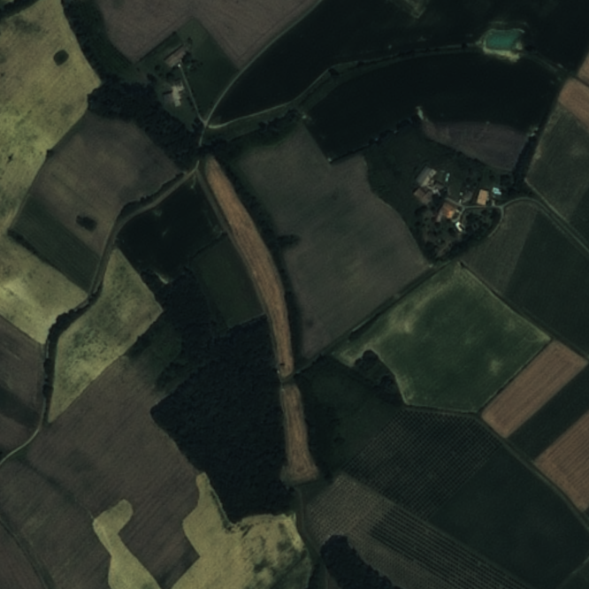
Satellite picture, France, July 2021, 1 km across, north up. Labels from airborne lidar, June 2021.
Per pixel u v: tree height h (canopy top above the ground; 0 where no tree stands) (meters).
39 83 0
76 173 0
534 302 0
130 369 0
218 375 19
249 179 0
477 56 0
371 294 0
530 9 0
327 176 0
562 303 0
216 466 18
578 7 0
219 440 19
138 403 0
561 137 0
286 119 9
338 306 0
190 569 0
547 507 0
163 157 0
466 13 0
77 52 0
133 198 0
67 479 0
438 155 0
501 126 0
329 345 0
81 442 0
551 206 0
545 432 0
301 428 0
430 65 0
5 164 0
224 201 0
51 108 0
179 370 13
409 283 0
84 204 0
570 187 0
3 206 0
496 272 0
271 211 0
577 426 0
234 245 0
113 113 20
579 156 0
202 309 15
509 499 0
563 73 0
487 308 0
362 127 0
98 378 0
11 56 0
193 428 16
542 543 0
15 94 0
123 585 0
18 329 0
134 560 0
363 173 0
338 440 6
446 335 0
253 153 0
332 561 17
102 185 0
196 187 0
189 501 0
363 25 0
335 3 0
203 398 15
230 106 0
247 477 18
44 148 0
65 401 0
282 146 0
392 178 0
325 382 0
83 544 0
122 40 0
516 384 0
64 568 0
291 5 0
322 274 0
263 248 0
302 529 0
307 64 0
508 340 0
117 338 0
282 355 0
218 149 18
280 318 0
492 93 0
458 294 0
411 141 0
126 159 0
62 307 0
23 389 0
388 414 0
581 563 0
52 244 0
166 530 0
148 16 0
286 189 0
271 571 0
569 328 0
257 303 0
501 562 0
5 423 0
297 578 0
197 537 0
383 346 0
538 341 0
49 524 0
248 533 0
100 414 0
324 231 0
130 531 0
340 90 0
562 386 0
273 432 16
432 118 0
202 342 20
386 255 0
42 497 0
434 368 0
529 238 0
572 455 0
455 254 19
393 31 0
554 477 0
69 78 0
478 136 0
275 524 0
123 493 0
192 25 0
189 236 0
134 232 0
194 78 0
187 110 0
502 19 0
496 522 0
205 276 0
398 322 0
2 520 0
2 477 0
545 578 0
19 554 0
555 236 0
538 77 0
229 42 0
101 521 0
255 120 0
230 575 0
